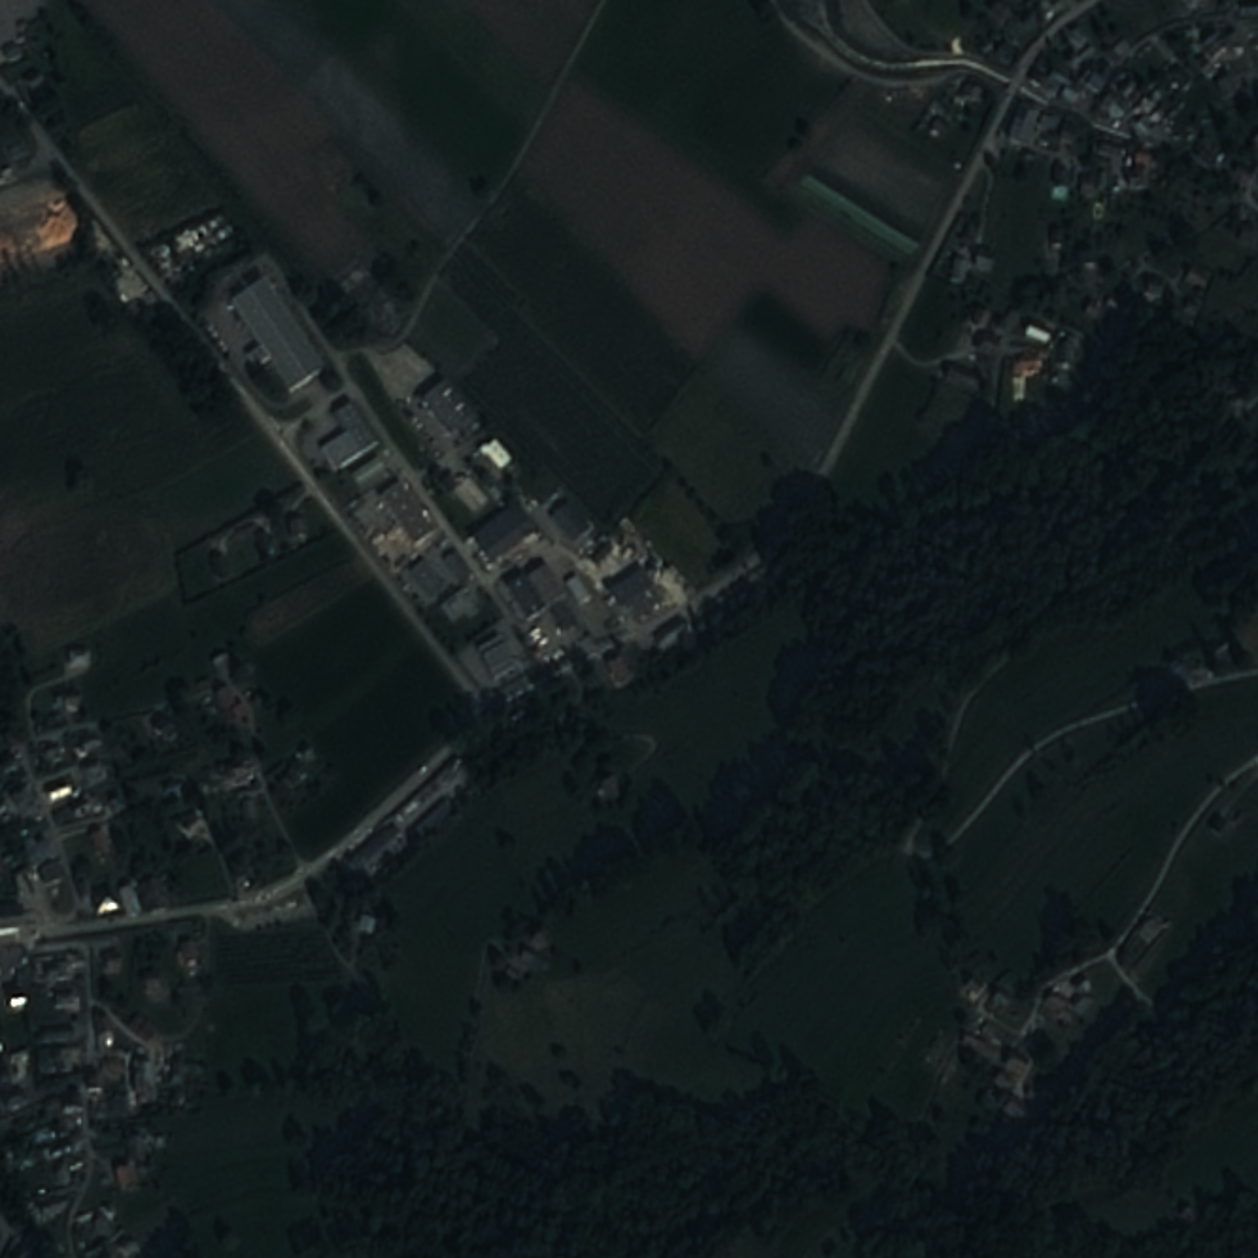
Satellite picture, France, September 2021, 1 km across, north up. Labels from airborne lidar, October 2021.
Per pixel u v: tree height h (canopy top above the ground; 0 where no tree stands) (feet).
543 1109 56
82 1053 0
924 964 0
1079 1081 65
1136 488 94
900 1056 0
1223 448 60
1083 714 0
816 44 0
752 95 0
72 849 0
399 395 0
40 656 0
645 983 0
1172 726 80
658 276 0
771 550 73
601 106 0
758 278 0
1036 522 69
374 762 0
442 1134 78
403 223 0
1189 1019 59
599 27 0
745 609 31
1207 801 0
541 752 33
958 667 73
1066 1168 92
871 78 0
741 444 0
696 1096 0
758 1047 0
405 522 0
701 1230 28
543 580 0
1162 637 0
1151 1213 0
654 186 0
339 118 0
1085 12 0
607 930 0
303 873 0
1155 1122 63
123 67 0
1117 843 0
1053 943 50
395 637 0
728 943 0
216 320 0
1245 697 0
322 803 0
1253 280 0
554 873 0
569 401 19
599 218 0
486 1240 77
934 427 0
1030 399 0
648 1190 71
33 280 69
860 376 0
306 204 0
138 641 0
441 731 0
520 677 0
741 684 0
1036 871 0
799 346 0
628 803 49
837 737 68
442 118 0
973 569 88
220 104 0
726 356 0
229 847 73
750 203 0
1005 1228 101
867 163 0
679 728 0
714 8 0
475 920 0
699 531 0
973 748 0
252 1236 0
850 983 0
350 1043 77
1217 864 0
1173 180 22
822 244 0
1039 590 75
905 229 0
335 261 0
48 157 0
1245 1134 0
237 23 0
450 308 0
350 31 0
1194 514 65
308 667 0
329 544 0
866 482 0
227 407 70
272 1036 0
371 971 0
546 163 0
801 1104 85
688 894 0
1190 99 0
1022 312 49
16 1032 0
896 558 69
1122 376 101
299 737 0
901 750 0
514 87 0
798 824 85
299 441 0
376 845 0
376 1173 44
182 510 0
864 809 76
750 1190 70
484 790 21
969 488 112
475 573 0
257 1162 0
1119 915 0
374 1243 53
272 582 0
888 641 88
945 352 0
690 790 0
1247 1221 37
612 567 0
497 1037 0
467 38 0
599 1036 0
